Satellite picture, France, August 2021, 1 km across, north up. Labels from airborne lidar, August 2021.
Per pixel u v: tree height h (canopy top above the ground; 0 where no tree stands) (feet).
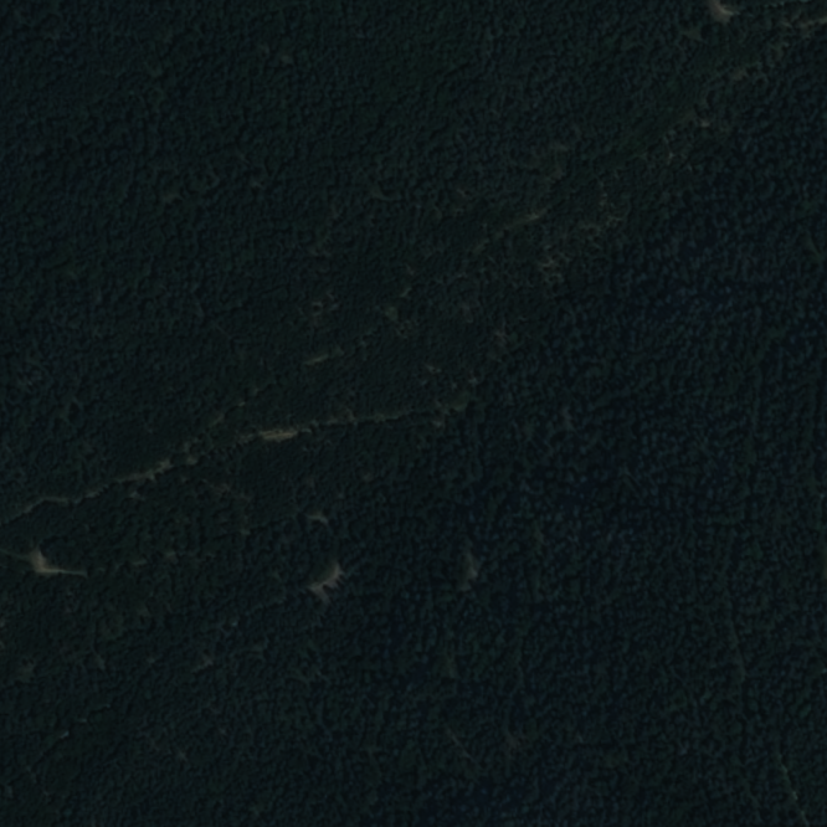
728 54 26
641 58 82
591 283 73
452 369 62
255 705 30
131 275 73
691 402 45
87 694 80
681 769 47
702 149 66
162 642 98
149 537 23
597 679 93
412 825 63
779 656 41
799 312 68
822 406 57
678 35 96
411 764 114
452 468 89
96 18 65
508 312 68
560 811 67
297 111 37
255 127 48
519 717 55
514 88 63
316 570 105
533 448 52
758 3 57
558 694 63
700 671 68
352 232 94
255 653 42
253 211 62
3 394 52
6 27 58
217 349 68
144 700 95
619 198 61
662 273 90
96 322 45
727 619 59
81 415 88
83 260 56
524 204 84
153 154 55
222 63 66
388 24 65
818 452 77
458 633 48
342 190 73
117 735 84
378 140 64
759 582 82
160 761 85
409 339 26
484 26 53
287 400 28
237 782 52
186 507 72
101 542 65
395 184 66
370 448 75
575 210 59
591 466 71
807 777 60
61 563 67
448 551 110
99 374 85
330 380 22
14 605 24
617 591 68
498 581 73
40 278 50
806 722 45
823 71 69
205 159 66
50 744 102
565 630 72
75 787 70
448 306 91
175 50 63
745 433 50
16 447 76
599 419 84
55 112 55
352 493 59
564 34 50
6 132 66
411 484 74
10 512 62
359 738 88
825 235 36
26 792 79
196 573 81
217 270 70
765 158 65
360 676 78
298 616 97
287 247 77
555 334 58
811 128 47
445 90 67
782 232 56
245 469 51
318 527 79
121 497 76
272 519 50
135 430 49
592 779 90
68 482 49
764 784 61
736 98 103
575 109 34
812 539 56
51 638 103
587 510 116
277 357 53
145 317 77
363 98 46
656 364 31
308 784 87
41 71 66
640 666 60
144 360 62
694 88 53
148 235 71
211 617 89
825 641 87
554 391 51
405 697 76
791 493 79
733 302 81
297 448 56
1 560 67
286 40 68
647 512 111
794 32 77
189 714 71
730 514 97
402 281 69
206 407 76
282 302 64
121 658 67
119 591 56
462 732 50
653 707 65
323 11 56
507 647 59
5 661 43
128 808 54
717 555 88
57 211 34
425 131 68
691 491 48
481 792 77
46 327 48
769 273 65
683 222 92
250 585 57
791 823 91
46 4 55
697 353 76
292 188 67
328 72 40
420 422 84
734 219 75
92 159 39
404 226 62
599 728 72
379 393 50
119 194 69
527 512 76
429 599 114
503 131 80
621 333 36
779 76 92
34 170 66
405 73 62
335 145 65
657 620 51
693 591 44
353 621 57
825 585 52
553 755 76
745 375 43
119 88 40
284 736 85
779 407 71
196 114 66
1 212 59
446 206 64
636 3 48
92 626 57
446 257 36
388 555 76
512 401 30
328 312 45
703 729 28
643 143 27
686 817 51
